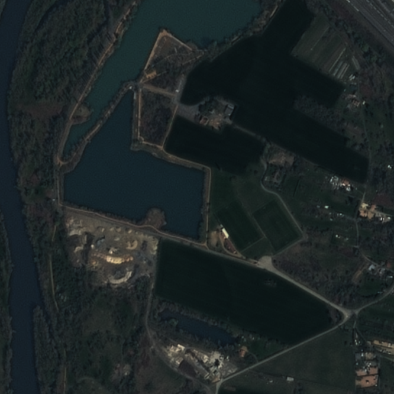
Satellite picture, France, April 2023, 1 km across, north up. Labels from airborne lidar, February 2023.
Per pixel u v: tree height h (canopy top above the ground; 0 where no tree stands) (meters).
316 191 0
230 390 0
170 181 0
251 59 0
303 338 0
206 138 0
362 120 0
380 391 8
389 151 26
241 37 5
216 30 0
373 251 22
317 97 0
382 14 0
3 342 0
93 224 0
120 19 0
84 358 0
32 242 19
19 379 0
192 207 0
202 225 9
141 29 0
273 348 0
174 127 0
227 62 0
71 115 0
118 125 0
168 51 0
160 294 0
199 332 0
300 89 0
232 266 0
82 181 0
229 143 0
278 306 0
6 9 0
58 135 18
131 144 0
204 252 0
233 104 0
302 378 0
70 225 0
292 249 0
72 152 12
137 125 0
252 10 0
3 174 0
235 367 0
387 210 0
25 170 27
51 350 27
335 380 0
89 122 0
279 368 0
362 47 23
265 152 15
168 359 0
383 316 0
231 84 0
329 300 0
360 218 7
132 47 0
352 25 7
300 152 0
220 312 0
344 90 0
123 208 0
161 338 11
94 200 0
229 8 0
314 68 0
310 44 0
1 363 0
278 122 0
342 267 0
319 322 0
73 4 24
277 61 0
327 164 0
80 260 0
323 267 0
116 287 0
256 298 0
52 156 23
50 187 15
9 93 10
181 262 0
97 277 0
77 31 20
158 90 0
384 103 15
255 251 0
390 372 0
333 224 0
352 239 0
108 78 0
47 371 29
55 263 10
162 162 0
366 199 0
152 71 13
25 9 0
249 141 0
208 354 0
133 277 0
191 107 0
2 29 0
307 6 18
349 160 0
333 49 0
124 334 0
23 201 0
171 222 0
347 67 0
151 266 0
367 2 0
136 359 9
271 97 0
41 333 27
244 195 0
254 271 0
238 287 0
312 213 7
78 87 20
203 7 0
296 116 0
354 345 8
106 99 0
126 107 0
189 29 0
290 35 0
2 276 25
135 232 0
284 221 0
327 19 0
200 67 0
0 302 15
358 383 0
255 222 0
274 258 0
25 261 0
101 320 0
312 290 0
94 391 0
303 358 0
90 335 0
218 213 0
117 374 0
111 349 0
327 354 0
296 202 0
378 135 11
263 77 0
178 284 0
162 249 0
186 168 0
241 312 0
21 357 0
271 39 0
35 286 0
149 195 0
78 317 13
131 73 0
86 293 17
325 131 0
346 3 0
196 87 0
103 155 0
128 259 0
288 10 0
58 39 18
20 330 0
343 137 0
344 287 9
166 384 0
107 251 0
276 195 0
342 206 0
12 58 0
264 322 0
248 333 10
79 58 13
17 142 14
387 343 0
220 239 0
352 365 0
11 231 0
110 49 0
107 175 0
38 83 25
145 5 0
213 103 16
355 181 0
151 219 0
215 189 0
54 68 17
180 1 0
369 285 0
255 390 0
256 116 0
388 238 7
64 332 23
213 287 0
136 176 0
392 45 0
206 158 0
